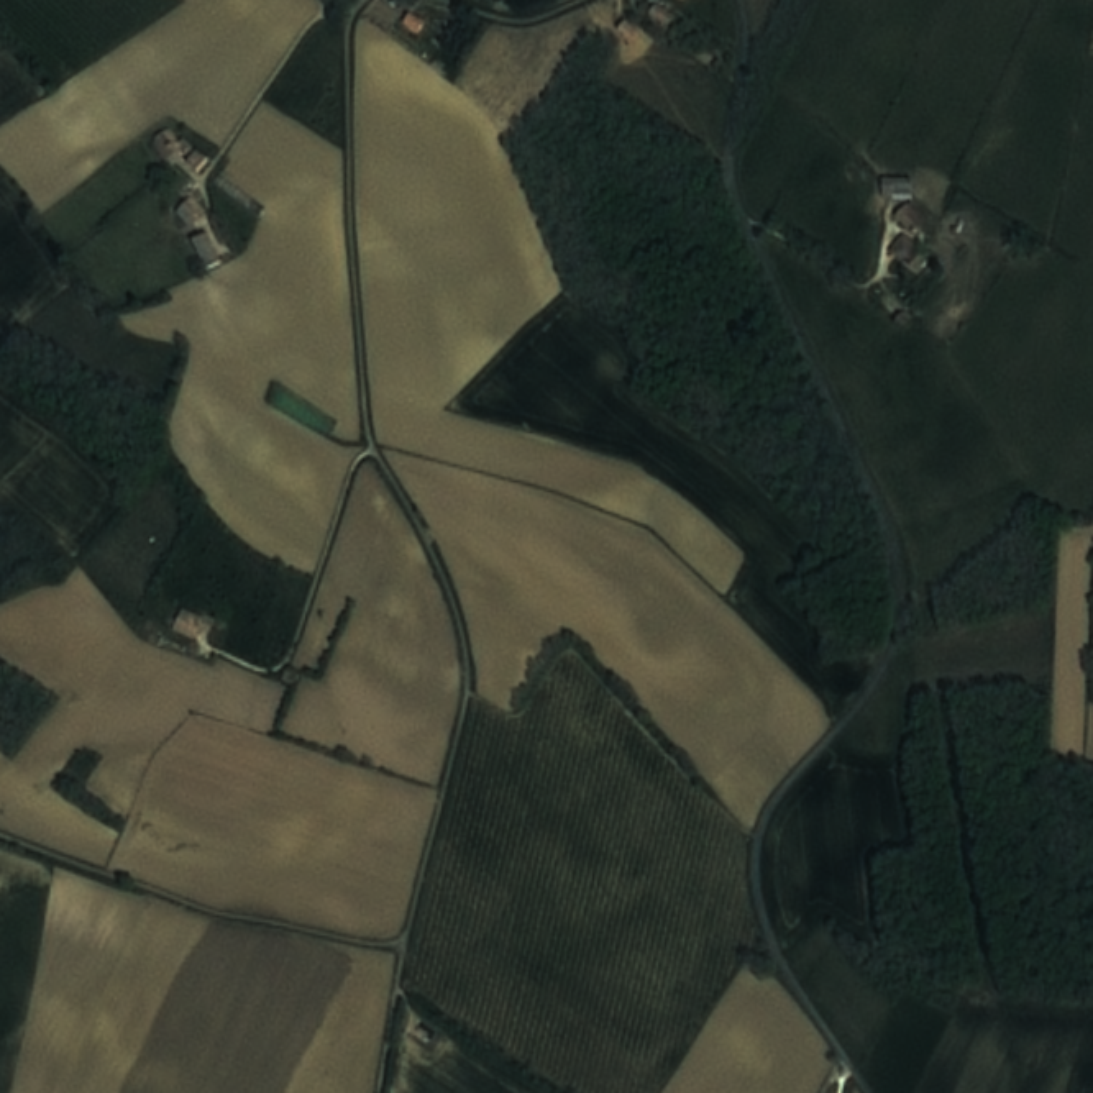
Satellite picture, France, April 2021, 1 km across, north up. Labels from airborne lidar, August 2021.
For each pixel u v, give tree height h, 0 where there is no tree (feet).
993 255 0
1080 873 62
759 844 0
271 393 0
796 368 57
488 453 0
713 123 0
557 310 0
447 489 0
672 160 60
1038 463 0
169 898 0
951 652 0
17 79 0
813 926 0
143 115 0
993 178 0
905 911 83
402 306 0
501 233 0
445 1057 0
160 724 0
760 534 0
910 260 0
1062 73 0
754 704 0
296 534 0
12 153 0
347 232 0
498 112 0
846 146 0
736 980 0
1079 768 65
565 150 60
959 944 75
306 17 0
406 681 0
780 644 0
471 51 45
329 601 0
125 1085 0
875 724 0
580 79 52
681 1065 0
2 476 0
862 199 0
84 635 0
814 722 0
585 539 0
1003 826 92
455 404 0
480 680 0
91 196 0
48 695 43
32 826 0
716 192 75
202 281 42
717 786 0
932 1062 0
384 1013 0
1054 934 67
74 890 0
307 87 0
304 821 0
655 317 69
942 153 0
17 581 65
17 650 0
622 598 0
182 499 22
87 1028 0
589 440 0
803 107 0
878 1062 0
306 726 0
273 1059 0
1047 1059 0
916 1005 0
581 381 0
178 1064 0
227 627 0
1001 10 0
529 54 0
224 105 0
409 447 0
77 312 0
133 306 52
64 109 0
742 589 0
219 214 23
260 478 0
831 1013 0
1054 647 0
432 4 0
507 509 0
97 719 0
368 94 0
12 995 0
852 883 0
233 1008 0
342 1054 0
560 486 0
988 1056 0
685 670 0
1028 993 67
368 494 0
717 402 57
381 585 0
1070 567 0
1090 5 0
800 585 54
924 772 60
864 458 0
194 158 0
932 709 68
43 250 0
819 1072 0
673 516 0
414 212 0
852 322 0
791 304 0
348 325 0
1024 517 48
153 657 0
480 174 0
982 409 0
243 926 0
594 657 29
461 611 0
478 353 0
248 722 0
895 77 0
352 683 0
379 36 0
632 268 62
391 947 0
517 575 0
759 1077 0
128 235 0
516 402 0
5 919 0
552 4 0
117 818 19
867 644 54
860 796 0
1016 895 96
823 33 0
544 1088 48
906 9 0
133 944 0
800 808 0
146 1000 0
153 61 0
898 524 0
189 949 0
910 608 46
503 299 0
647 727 41
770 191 0
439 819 0
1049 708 61
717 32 48
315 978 0
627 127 62
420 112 0
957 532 0
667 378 58
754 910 0
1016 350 0
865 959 41
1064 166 0
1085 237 0
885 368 0
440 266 0
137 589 0
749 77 56
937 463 0
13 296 0
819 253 61
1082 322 0
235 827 0
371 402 0
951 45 0
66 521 0
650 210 59
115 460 66
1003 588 49
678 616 0
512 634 0
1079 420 0
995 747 76
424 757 0
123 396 61
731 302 84
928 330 0
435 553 0
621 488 0
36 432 0
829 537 59
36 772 0
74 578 0
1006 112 0
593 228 61
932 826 66
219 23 0
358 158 0
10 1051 0
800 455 57
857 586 68
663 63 0
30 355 56
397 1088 0
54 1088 0
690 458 0
